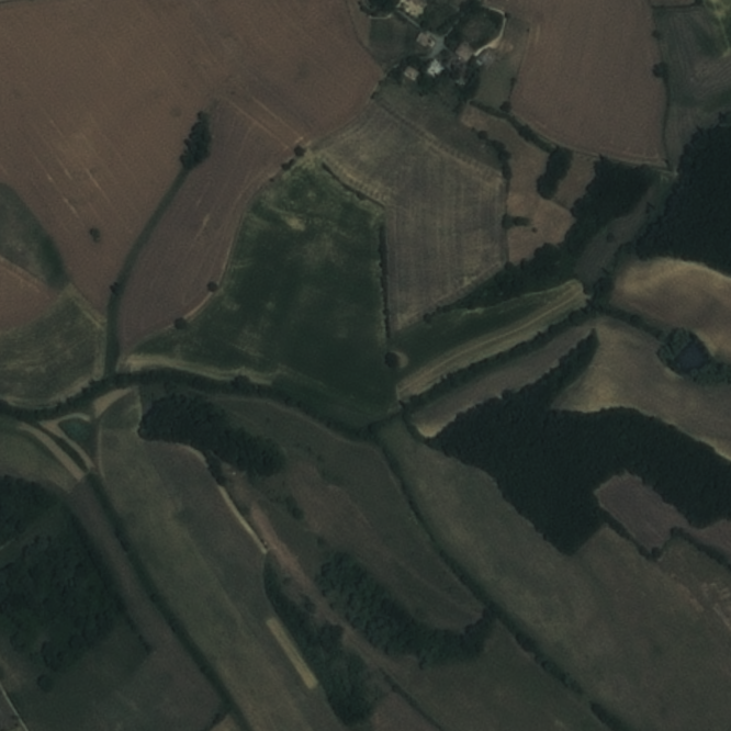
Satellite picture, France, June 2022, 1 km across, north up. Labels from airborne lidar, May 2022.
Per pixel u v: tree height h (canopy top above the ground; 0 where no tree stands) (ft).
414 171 0
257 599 0
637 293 0
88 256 0
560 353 0
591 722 0
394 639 42
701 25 0
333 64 0
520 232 0
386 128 0
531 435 61
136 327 0
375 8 34
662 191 0
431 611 0
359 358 0
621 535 29
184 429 67
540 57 0
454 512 0
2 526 28
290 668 0
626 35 0
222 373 0
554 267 33
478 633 74
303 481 0
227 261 0
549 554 0
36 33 0
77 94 0
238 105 0
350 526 0
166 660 0
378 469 0
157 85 0
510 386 0
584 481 54
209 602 0
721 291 0
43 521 0
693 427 0
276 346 0
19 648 26
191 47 0
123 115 0
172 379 26
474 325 0
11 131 0
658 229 63
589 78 0
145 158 0
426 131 0
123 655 0
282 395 30
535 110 0
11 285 0
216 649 0
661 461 73
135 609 0
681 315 0
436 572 0
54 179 0
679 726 0
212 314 0
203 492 0
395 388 0
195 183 0
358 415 0
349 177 0
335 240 0
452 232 0
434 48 0
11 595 55
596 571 0
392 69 20
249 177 0
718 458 62
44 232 0
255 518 0
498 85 0
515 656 0
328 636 45
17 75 0
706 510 64
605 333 0
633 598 0
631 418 58
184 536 0
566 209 0
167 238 0
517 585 0
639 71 0
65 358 0
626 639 0
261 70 0
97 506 0
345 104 0
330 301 0
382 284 24
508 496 48
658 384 0
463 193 0
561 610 0
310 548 0
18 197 0
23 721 0
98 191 0
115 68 0
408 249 0
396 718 0
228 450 59
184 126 0
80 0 0
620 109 0
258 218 0
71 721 0
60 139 0
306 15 0
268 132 0
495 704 0
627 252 32
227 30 0
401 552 0
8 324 0
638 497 0
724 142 61
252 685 0
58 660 55
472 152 0
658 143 0
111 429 0
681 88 0
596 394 0
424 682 0
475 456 61
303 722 0
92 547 63
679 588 0
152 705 0
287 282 0
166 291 0
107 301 0
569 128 0
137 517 0
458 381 63
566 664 0
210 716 0
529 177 0
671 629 0
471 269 0
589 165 0
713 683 0
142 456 0
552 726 0
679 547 0
